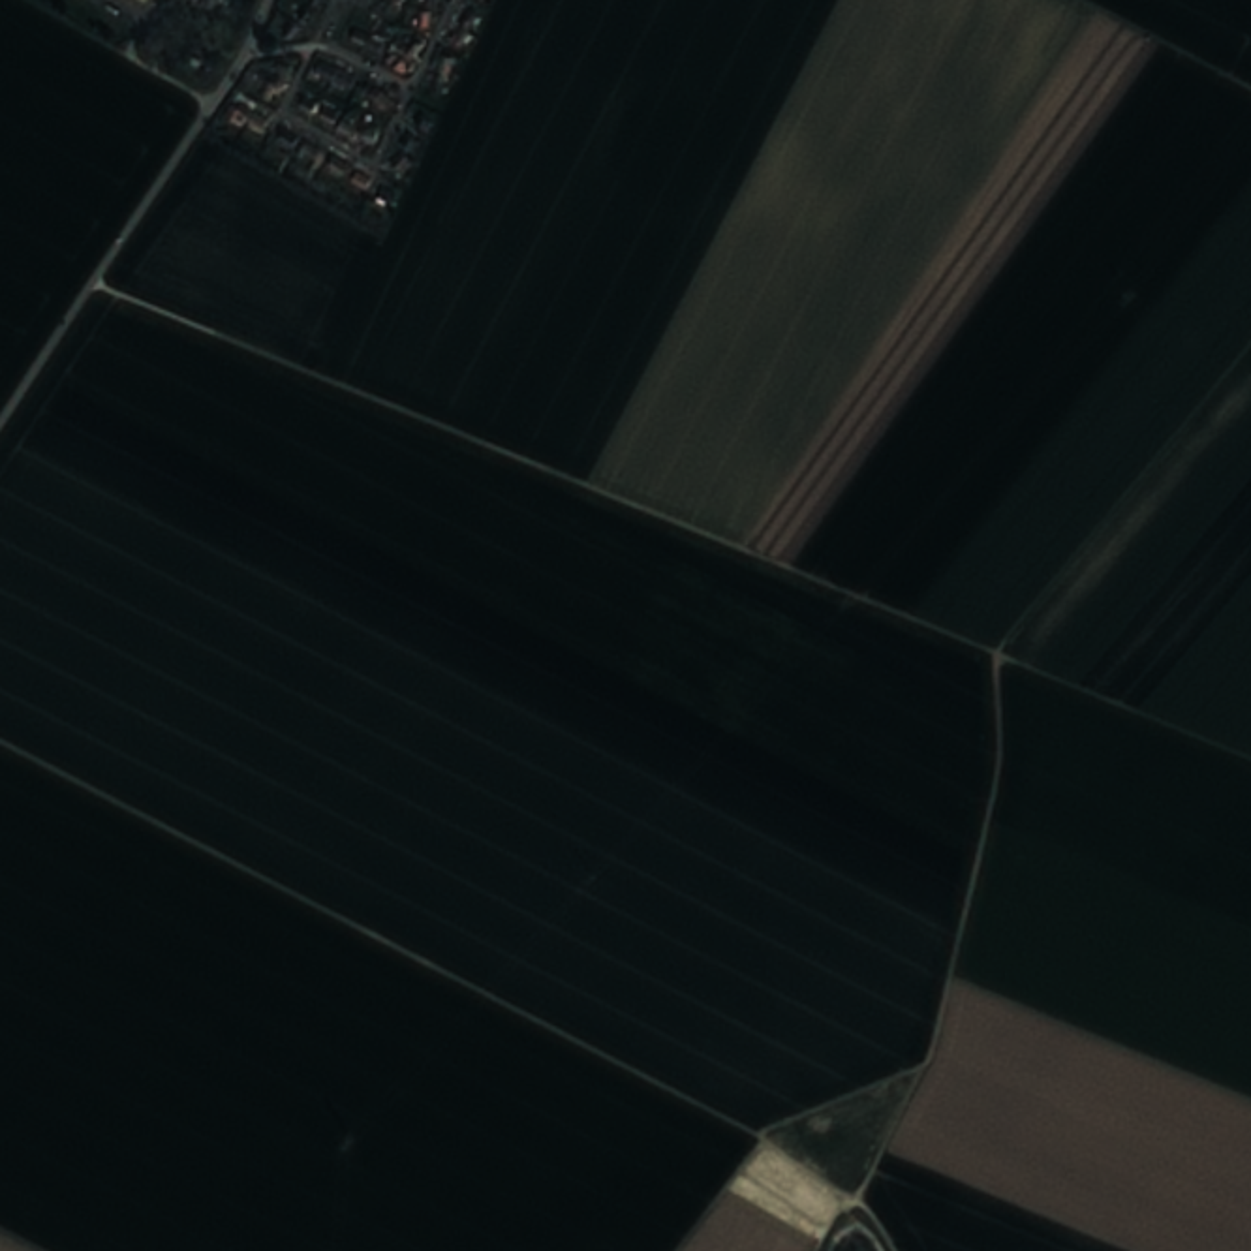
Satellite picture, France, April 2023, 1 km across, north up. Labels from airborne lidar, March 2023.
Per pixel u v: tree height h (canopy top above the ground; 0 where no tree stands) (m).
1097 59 0
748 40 0
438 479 0
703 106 0
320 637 0
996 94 0
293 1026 0
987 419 0
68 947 0
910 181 0
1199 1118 0
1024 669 0
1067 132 0
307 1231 0
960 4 0
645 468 0
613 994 0
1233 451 0
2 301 0
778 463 0
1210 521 0
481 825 0
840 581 0
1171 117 0
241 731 0
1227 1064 0
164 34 14
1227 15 0
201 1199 0
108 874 0
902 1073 0
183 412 0
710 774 0
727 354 0
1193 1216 0
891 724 0
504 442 0
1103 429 0
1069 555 0
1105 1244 0
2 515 0
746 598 0
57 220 0
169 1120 0
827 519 0
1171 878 0
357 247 0
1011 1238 0
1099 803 0
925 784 0
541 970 0
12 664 0
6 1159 0
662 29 0
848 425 0
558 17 0
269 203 0
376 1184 0
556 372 0
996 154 0
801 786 0
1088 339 0
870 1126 0
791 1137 0
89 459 0
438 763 0
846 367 0
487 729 0
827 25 0
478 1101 0
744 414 0
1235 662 0
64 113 0
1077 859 0
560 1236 0
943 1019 0
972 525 0
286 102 0
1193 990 0
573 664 0
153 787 0
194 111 0
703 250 0
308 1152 0
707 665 0
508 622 0
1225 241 0
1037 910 0
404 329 0
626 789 0
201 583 0
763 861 0
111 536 0
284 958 0
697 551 0
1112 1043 0
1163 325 0
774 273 0
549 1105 0
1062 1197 0
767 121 0
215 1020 0
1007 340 0
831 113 0
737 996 0
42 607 0
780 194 0
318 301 0
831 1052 0
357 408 0
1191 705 0
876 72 0
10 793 0
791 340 0
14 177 0
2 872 0
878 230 0
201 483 0
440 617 0
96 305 0
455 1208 0
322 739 0
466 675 0
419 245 0
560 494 0
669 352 0
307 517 0
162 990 0
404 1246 0
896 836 0
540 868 0
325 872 0
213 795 0
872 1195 0
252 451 0
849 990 0
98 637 0
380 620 0
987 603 0
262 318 0
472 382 0
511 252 0
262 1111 0
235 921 0
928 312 0
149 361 0
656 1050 0
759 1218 0
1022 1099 0
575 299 0
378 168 0
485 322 0
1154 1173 0
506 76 0
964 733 0
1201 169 0
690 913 0
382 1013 0
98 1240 0
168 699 0
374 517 0
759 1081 0
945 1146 0
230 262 0
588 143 0
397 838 0
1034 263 0
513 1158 0
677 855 0
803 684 0
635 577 0
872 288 0
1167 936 0
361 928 0
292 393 0
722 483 0
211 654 0
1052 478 0
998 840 0
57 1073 0
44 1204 0
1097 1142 0
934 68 0
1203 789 0
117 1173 0
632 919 0
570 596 0
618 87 0
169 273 0
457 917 0
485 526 0
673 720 0
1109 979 0
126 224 0
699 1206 0
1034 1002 0
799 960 0
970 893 0
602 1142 0
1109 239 0
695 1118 0
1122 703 0
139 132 0
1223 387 0
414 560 0
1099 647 0
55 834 0
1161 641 0
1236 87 0
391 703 0
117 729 0
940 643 0
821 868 0
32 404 0
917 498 0
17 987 0
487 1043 0
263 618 0
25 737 0
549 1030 0
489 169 0
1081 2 0
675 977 0
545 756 0
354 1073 0
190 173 0
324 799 0
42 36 0
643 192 0
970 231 0
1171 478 0
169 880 0
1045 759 0
